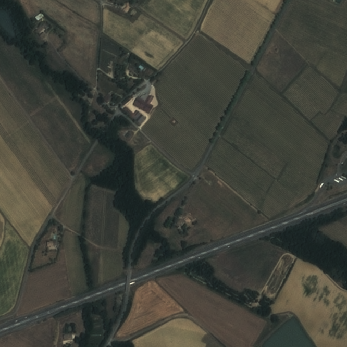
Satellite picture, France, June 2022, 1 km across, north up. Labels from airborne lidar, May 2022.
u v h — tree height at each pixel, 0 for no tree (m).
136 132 0
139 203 15
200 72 0
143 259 0
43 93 0
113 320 14
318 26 0
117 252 0
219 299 0
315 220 10
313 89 0
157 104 0
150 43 0
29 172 0
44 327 0
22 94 0
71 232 0
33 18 8
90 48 0
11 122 0
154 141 0
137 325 0
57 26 6
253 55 0
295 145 0
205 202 0
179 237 0
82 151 0
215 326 0
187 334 0
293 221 0
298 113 0
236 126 0
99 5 0
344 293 0
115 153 11
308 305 0
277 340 0
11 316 0
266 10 0
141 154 0
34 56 10
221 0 0
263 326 0
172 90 0
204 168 0
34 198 0
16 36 14
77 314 0
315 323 0
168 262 0
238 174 0
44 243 0
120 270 0
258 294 12
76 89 8
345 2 0
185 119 0
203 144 0
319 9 0
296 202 0
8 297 0
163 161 0
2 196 0
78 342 17
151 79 9
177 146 0
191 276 15
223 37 0
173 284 0
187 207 0
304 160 0
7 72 0
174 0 0
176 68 0
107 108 13
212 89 0
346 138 10
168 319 0
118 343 11
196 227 0
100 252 0
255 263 0
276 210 0
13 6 18
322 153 0
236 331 0
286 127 0
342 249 17
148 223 15
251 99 0
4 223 0
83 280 0
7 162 0
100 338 0
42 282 0
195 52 0
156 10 0
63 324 0
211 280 14
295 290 0
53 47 0
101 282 0
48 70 12
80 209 0
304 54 0
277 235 9
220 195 0
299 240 15
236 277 0
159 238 14
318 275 0
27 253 0
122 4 7
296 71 0
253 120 0
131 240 11
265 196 0
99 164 0
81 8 0
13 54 0
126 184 20
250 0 0
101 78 0
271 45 0
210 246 0
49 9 0
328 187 7
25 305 0
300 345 0
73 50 0
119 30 0
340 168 0
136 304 0
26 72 0
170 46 0
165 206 9
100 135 11
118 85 8
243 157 0
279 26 0
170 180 0
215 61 0
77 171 0
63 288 0
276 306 0
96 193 0
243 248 0
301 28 0
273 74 0
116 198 15
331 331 0
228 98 0
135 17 0
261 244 0
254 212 0
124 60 0
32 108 0
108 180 12
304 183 0
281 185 0
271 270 0
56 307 0
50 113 0
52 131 0
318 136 0
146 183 0
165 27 0
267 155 0
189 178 0
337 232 0
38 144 0
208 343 0
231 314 0
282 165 0
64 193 0
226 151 0
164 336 0
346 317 0
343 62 0
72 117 0
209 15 0
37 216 0
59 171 0
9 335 0
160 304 0
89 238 0
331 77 0
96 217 0
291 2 0
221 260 0
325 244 20
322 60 0
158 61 0
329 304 0
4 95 0
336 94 0
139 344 0
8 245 0
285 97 0
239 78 0
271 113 0
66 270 0
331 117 0
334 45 0
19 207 0
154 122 0
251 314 0
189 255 0
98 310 16
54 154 0
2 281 0
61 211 0
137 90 8
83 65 0
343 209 6
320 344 0
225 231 0
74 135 0
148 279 0
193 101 0
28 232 0
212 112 0
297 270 0
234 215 0
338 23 0
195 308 0
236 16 0
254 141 0
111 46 0
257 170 0
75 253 0
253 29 0
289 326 0
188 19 0
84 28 0
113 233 0
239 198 0
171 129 0
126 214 11
